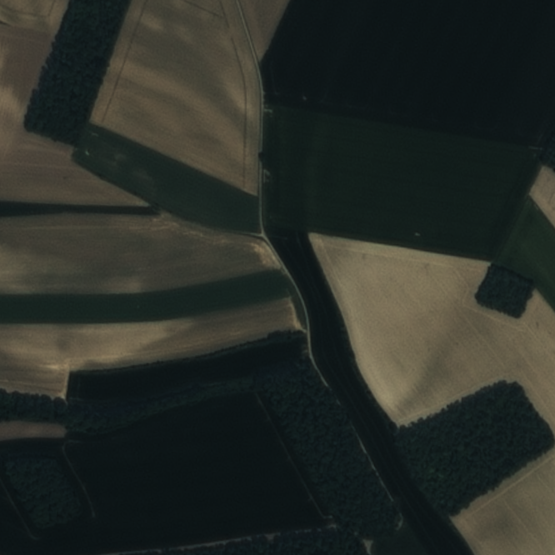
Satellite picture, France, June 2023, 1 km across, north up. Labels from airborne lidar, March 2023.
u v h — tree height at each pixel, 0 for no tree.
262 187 0
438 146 0
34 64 0
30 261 0
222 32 0
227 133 0
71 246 0
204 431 0
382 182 0
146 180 0
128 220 0
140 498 0
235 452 0
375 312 0
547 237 0
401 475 0
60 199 0
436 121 0
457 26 0
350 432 26
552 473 0
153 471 0
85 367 0
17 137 0
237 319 0
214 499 0
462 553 0
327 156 0
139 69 0
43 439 0
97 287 0
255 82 0
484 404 20
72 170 0
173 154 0
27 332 0
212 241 0
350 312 0
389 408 0
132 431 0
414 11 0
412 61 0
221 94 0
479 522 0
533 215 0
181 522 0
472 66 0
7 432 0
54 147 0
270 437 0
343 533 24
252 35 0
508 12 0
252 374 0
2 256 0
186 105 0
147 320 0
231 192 0
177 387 0
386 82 0
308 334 0
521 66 0
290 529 0
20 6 0
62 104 27
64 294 0
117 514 0
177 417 0
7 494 0
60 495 27
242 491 0
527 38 0
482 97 0
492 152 0
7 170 0
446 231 0
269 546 24
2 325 0
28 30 0
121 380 0
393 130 0
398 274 0
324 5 0
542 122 0
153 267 0
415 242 0
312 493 0
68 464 0
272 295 0
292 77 0
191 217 0
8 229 0
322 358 0
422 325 0
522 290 19
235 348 8
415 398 0
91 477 0
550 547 0
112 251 0
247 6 0
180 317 0
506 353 0
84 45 24
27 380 0
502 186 0
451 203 0
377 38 0
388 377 0
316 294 0
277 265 0
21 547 0
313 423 27
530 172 0
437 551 0
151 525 0
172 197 0
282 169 0
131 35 0
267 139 0
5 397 19
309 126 0
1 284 0
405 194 0
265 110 0
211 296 0
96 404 0
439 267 0
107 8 25
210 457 0
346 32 0
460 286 0
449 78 0
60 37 18
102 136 0
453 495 18
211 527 0
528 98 0
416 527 0
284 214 0
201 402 0
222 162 0
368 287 0
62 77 27
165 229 0
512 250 0
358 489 24
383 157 0
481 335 0
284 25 0
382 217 0
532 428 23
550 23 0
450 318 0
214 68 0
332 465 28
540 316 0
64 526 0
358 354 0
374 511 25
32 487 22
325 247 0
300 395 27
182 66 0
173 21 0
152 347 0
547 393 0
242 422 0
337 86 0
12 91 0
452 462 20
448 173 0
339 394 0
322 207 0
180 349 0
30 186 0
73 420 7
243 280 0
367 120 0
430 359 0
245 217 0
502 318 0
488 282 16
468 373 0
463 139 0
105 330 0
